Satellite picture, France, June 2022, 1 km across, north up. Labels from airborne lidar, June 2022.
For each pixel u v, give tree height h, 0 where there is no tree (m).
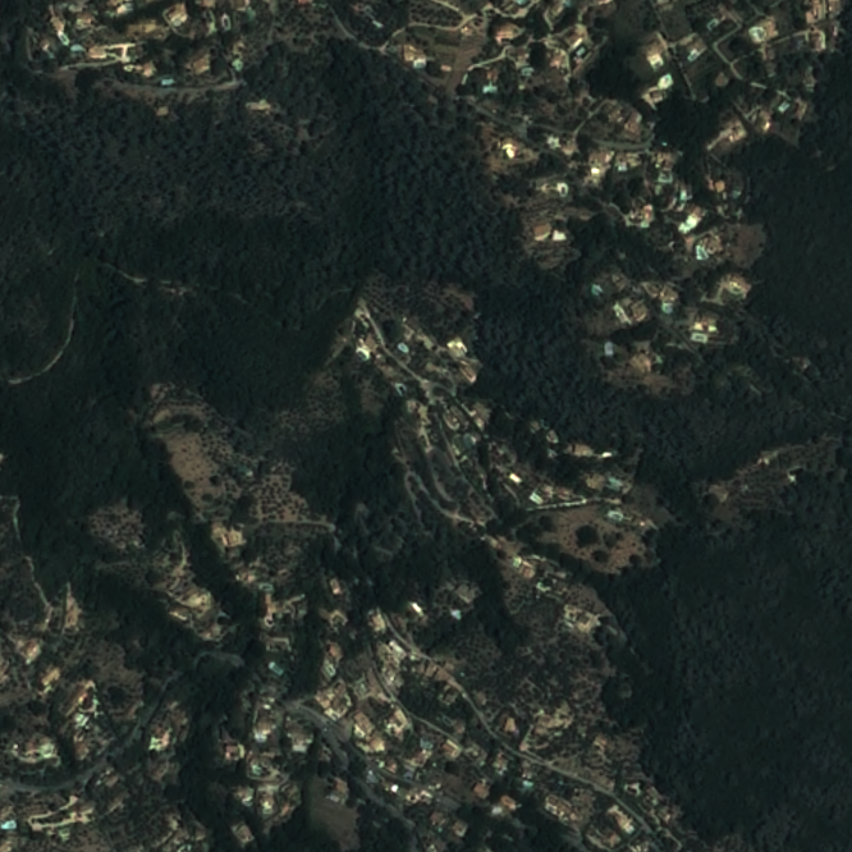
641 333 17
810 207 14
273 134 8
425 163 23
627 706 14
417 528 16
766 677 11
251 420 17
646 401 8
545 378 8
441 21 5
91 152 23
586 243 17
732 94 16
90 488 6
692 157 12
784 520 11
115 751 7
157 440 8
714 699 10
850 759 13
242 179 23
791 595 12
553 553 11
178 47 14
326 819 0
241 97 14
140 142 6
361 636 5
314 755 8
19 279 23
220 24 8
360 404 9
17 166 23
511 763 9
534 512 7
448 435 6
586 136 12
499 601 12
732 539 20
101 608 13
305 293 11
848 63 18
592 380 8
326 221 6
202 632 7
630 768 6
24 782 17
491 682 7
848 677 8
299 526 7
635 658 11
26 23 8
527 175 7
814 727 12
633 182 10
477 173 22
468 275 26
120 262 16
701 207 9
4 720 16
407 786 6
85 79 13
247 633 9
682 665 10
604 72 16
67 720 8
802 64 15
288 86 18
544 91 19
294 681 11
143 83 9
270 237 9
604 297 7
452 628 7
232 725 17
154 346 7
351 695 6
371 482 15
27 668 7
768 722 12
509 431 17
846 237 8
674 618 13
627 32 0
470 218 18
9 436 24
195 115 6
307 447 8
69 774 7
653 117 13
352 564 13
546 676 7
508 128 8
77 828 6
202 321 15
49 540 8
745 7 7
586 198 7
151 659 16
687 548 15
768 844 23
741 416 10
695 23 12
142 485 19
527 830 9
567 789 7
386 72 17
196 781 21
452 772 16
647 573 13
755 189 15
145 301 24
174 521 9
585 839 6
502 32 0
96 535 7
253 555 15
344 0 9
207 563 30
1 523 11
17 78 16
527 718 6
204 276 11
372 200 13
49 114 22
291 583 6
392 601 15
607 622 22
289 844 16
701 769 12
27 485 18
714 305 7
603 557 13
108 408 18
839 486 8
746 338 10
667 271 6
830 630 13
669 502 16
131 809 7
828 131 14
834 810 18
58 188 19
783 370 7
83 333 15
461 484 6
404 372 8
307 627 10
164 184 21
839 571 22
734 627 7
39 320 6
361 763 8
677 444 12
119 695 16
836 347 6
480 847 14
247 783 12
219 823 21
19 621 7
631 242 8
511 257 9
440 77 20
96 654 5
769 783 13
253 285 11
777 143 12
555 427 14
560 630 6
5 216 10
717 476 13
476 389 14
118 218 9
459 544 15
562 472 15
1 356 13
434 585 13
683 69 9
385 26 7
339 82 12
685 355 10
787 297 8
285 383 10
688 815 10
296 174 24
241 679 20
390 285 9
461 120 14
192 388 13
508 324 23
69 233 26
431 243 21
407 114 20
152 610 24
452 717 8
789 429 22
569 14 9
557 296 18
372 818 9
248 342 10
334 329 18
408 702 7
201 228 18
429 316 6
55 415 19
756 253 0
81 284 13
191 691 15
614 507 6
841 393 18
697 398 12
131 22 12
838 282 10
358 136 27
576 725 6
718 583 11
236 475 12
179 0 7
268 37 6
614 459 9
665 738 14
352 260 15
